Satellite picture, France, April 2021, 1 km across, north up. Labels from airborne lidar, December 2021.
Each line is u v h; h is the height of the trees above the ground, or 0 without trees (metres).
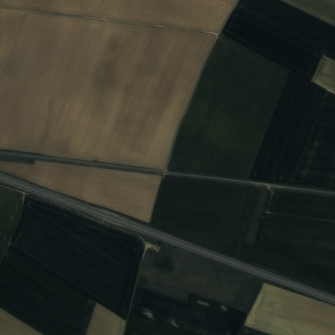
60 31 0
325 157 0
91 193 0
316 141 0
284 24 0
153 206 0
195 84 0
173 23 0
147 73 0
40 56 0
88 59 0
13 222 0
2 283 0
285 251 0
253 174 0
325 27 0
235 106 0
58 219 0
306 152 0
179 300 0
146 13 0
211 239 0
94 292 0
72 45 0
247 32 0
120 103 0
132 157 0
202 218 0
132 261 0
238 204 0
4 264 0
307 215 0
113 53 0
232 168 0
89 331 0
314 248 0
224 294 0
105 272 0
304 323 0
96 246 0
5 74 0
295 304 0
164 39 0
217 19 0
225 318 0
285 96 0
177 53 0
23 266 0
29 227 0
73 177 0
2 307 0
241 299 0
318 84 0
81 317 0
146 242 0
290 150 0
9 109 0
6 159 0
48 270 0
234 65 0
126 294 0
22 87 0
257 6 0
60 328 0
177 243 0
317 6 0
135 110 0
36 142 0
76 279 0
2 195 0
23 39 0
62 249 0
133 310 0
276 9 0
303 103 0
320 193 0
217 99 0
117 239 0
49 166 0
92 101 0
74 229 0
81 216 6
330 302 0
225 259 0
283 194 0
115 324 0
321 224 0
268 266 0
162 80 0
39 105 0
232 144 0
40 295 0
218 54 0
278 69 0
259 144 0
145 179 0
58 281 0
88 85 0
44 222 0
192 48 0
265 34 0
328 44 0
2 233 0
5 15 0
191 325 0
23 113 0
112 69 0
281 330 0
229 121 0
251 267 0
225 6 0
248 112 0
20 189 0
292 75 0
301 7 0
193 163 0
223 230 0
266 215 0
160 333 0
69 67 0
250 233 0
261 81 0
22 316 0
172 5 0
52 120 0
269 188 0
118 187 0
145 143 0
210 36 0
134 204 0
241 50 0
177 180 0
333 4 0
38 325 0
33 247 0
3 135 0
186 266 0
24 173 0
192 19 0
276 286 0
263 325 0
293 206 0
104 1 0
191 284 0
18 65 0
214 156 0
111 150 0
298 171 0
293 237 0
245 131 0
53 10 0
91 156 0
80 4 0
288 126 0
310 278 0
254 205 0
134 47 0
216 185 0
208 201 0
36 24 0
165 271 0
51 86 0
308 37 0
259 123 0
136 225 0
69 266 0
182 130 0
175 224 0
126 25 0
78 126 0
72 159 0
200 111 0
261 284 0
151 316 0
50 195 0
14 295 0
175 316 0
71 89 0
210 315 0
